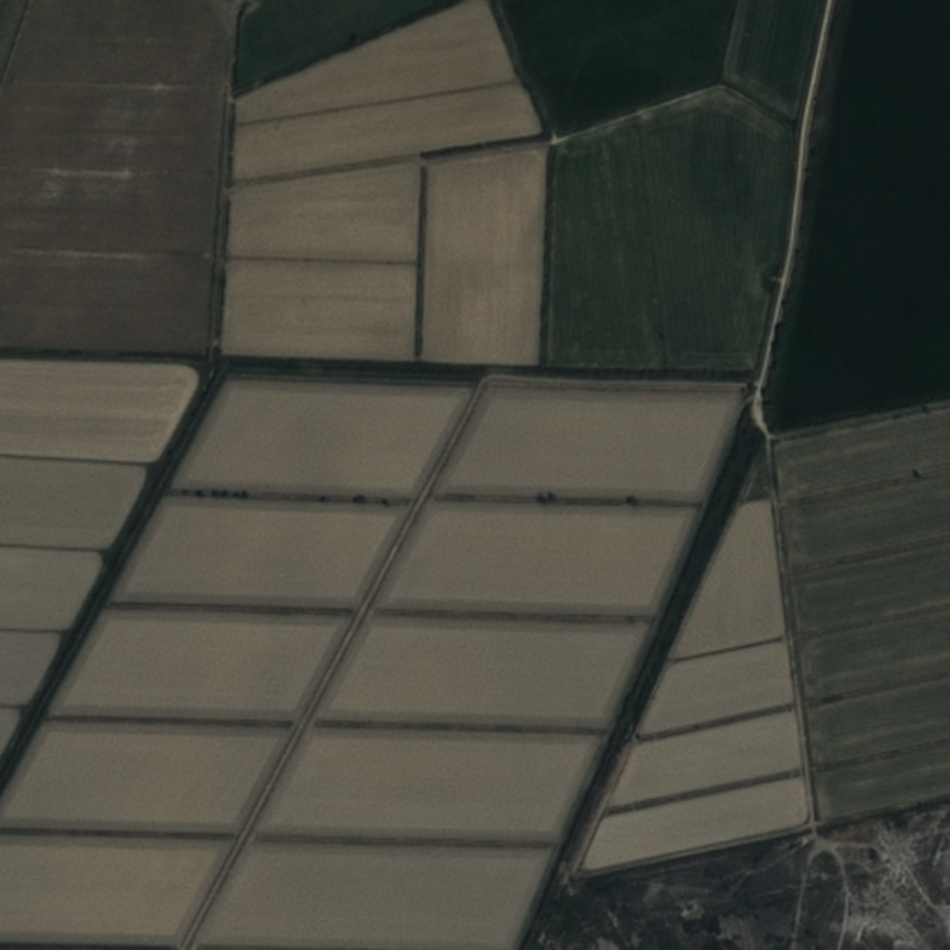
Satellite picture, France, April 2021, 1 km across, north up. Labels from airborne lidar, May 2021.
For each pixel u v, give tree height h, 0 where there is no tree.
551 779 0
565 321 0
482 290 0
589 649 0
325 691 0
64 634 0
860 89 0
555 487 0
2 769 0
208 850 0
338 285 0
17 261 0
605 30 0
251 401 0
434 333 0
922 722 0
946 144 0
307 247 0
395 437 0
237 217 0
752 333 0
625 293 0
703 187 0
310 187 0
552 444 0
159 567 0
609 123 0
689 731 0
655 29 0
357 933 0
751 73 0
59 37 0
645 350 0
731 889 0
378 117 0
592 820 0
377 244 0
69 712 0
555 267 0
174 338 0
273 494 0
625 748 0
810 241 0
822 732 0
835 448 0
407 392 0
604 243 0
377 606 0
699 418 0
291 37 0
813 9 0
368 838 0
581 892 0
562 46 0
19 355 0
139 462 0
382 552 0
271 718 0
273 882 0
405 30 0
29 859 0
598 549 0
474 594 0
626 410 0
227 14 0
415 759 0
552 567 0
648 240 0
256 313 0
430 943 0
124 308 0
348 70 0
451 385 0
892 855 0
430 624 0
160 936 0
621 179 0
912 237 0
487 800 0
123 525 0
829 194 0
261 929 0
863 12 0
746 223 0
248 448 0
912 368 0
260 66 0
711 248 0
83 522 0
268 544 0
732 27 0
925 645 0
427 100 0
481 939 0
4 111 0
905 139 0
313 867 0
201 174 0
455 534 0
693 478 0
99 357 0
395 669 0
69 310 0
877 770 0
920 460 0
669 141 0
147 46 0
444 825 0
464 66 0
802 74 0
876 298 0
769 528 0
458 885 0
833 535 0
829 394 0
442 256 0
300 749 0
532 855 0
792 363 0
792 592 0
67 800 0
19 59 0
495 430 0
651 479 0
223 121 0
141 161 0
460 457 0
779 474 0
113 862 0
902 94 0
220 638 0
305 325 0
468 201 0
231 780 0
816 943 0
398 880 0
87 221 0
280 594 0
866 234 0
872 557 0
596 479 0
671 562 0
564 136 0
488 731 0
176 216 0
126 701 0
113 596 0
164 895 0
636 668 0
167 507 0
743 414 6
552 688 0
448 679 0
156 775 0
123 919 0
